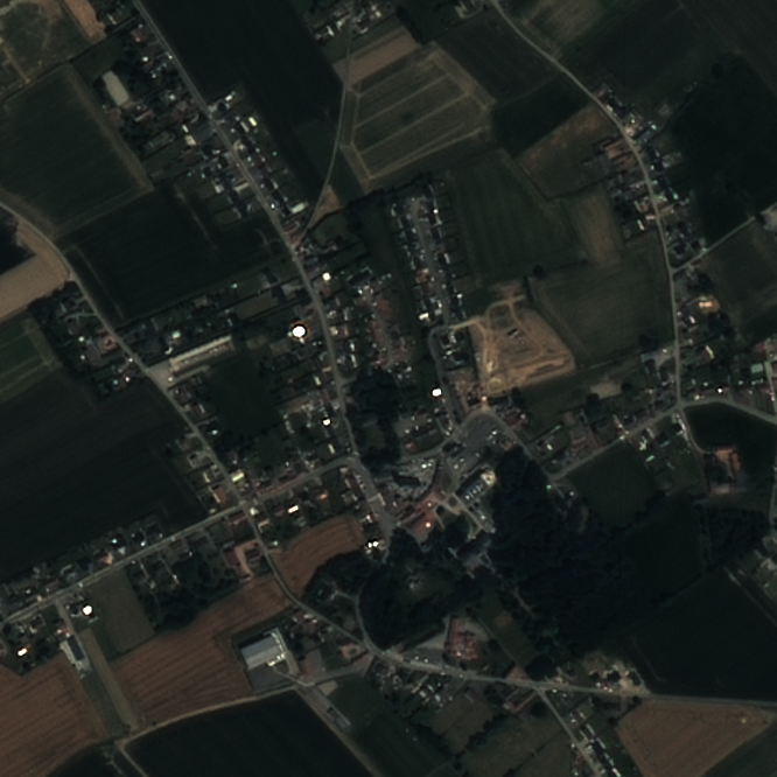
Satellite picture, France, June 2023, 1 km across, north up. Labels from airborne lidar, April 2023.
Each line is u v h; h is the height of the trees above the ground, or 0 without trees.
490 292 0
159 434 0
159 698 0
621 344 0
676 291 0
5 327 0
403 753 0
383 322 0
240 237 0
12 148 0
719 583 0
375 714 0
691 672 0
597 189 0
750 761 0
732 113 0
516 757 0
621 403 0
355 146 0
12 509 0
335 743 0
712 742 0
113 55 0
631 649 0
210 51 0
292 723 0
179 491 0
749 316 0
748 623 0
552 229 0
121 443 0
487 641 0
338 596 0
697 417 0
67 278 0
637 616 18
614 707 0
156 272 0
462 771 7
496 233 0
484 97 0
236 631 0
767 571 0
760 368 0
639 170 0
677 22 0
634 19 0
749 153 0
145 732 0
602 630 21
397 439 21
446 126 0
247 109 0
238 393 0
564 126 0
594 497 0
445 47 0
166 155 0
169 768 0
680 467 0
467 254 0
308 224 0
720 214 0
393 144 0
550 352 0
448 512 0
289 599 0
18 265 0
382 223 0
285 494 0
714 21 0
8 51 0
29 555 0
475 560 0
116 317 0
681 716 0
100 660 0
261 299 0
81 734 0
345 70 0
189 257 0
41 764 0
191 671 0
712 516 14
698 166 0
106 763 0
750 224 0
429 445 0
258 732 0
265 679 0
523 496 29
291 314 0
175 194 0
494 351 0
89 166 0
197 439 0
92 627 0
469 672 0
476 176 0
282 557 0
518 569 24
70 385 0
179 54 0
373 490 0
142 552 0
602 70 0
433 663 0
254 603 0
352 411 19
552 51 0
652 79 0
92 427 0
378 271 0
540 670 18
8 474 0
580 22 0
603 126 0
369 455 14
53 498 0
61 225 0
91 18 0
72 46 0
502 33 0
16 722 0
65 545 0
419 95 0
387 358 0
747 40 0
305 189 0
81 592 0
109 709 0
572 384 0
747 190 0
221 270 0
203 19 0
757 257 0
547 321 0
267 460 0
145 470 0
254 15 0
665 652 0
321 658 0
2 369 0
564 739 0
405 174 0
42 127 0
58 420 0
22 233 0
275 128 0
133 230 0
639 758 0
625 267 0
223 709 0
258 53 0
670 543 0
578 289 0
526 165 0
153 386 0
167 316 6
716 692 0
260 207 0
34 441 0
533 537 27
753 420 0
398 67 0
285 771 0
